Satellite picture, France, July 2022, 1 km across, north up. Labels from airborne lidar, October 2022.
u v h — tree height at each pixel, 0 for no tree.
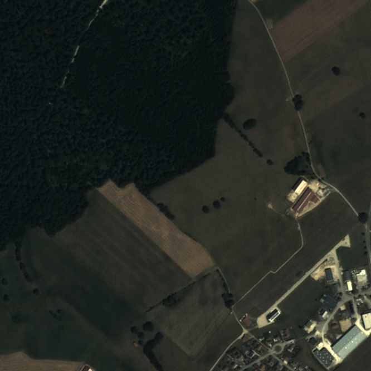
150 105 13
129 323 0
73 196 31
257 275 0
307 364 0
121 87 24
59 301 0
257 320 0
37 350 0
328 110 0
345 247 0
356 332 0
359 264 0
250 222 0
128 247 0
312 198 0
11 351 0
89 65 9
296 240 0
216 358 0
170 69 18
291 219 0
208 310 0
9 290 0
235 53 0
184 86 13
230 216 0
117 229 0
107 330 0
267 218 0
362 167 0
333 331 0
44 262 0
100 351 0
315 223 0
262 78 0
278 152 0
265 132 0
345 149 0
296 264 0
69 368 0
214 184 0
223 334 0
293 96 0
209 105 19
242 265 0
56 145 19
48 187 29
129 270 0
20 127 26
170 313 0
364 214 15
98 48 22
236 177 0
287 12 0
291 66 0
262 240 0
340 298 8
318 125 0
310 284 0
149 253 0
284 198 0
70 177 9
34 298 0
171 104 20
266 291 0
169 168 26
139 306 0
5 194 23
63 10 29
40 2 27
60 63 25
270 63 0
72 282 0
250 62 0
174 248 0
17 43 28
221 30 6
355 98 0
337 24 0
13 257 0
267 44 0
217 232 0
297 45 0
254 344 6
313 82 0
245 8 0
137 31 20
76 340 0
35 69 21
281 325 0
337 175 0
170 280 0
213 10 6
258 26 0
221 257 0
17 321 8
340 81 0
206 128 21
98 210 0
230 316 0
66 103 31
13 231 22
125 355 0
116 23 8
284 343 0
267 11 0
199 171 0
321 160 0
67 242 0
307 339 0
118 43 14
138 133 18
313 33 0
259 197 0
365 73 0
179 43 27
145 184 8
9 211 25
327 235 0
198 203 0
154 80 11
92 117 7
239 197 0
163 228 0
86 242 0
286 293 0
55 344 0
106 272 0
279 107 0
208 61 16
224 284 8
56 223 25
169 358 0
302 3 0
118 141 26
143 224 0
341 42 0
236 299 0
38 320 0
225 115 16
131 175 29
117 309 0
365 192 0
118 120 19
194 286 0
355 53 0
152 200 7
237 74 0
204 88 10
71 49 21
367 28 0
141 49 23
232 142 0
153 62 19
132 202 0
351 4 0
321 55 0
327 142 0
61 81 17
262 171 0
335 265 0
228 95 19
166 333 0
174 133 15
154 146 9
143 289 0
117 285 0
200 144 23
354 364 0
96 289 0
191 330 0
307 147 0
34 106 22
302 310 0
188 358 0
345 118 0
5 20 32
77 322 0
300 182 0
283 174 0
